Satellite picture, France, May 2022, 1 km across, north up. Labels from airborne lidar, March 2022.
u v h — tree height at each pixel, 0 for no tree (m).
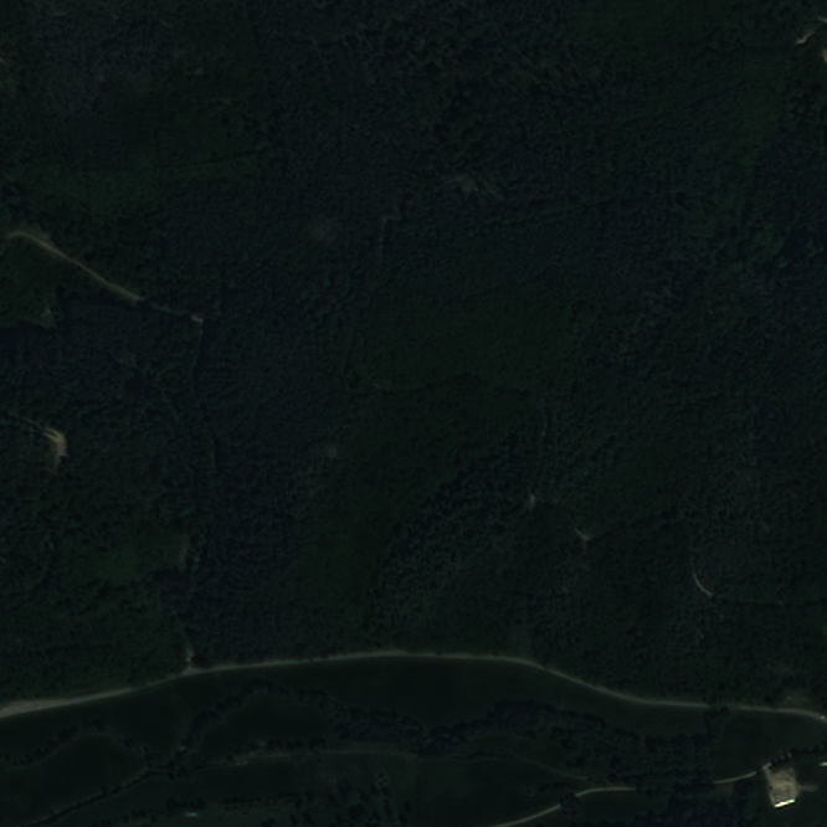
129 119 12
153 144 17
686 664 21
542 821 0
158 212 24
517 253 20
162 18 14
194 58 9
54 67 20
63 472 9
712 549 17
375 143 27
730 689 26
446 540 8
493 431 19
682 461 23
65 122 16
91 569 25
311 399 18
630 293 23
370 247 25
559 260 23
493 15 24
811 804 0
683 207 25
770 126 24
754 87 18
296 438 10
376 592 11
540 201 29
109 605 21
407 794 0
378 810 0
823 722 0
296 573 12
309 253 20
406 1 19
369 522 17
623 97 19
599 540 17
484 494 10
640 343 7
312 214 19
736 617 21
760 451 12
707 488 24
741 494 8
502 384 21
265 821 0
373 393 19
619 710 0
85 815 0
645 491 21
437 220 24
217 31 13
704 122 24
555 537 25
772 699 21
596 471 13
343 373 14
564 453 15
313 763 0
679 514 18
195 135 13
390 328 17
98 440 17
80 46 13
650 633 23
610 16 16
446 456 25
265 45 19
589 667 18
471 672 0
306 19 21
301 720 0
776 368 10
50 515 24
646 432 19
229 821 0
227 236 25
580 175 28
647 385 19
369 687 0
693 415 20
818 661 15
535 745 0
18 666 19
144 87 9
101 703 0
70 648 20
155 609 24
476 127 24
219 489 12
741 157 33
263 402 17
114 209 26
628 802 0
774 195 25
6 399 24
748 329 20
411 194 22
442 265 16
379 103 27
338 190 25
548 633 23
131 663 15
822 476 21
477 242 16
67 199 24
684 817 23
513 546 13
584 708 0
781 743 0
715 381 12
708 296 24
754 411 9
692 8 14
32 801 0
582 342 7
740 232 28
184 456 28
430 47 11
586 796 0
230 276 23
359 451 18
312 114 29
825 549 20
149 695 0
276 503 9
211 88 16
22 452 17
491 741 0
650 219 31
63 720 0
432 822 0
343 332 19
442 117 17
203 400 23
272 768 0
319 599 17
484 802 0
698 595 13
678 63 24
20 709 0
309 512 11
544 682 0
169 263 25
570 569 11
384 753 0
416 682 0
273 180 23
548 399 17
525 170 28
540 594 20
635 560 23
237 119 10
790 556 9
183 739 0
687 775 22
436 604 11
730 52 15
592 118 20
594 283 19
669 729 0
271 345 13
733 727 0
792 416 16
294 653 18
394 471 19
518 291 19
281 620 22
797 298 27
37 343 30
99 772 0
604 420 19
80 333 36
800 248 34
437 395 21
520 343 21
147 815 9
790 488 19
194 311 29
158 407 25
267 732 0
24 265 0
